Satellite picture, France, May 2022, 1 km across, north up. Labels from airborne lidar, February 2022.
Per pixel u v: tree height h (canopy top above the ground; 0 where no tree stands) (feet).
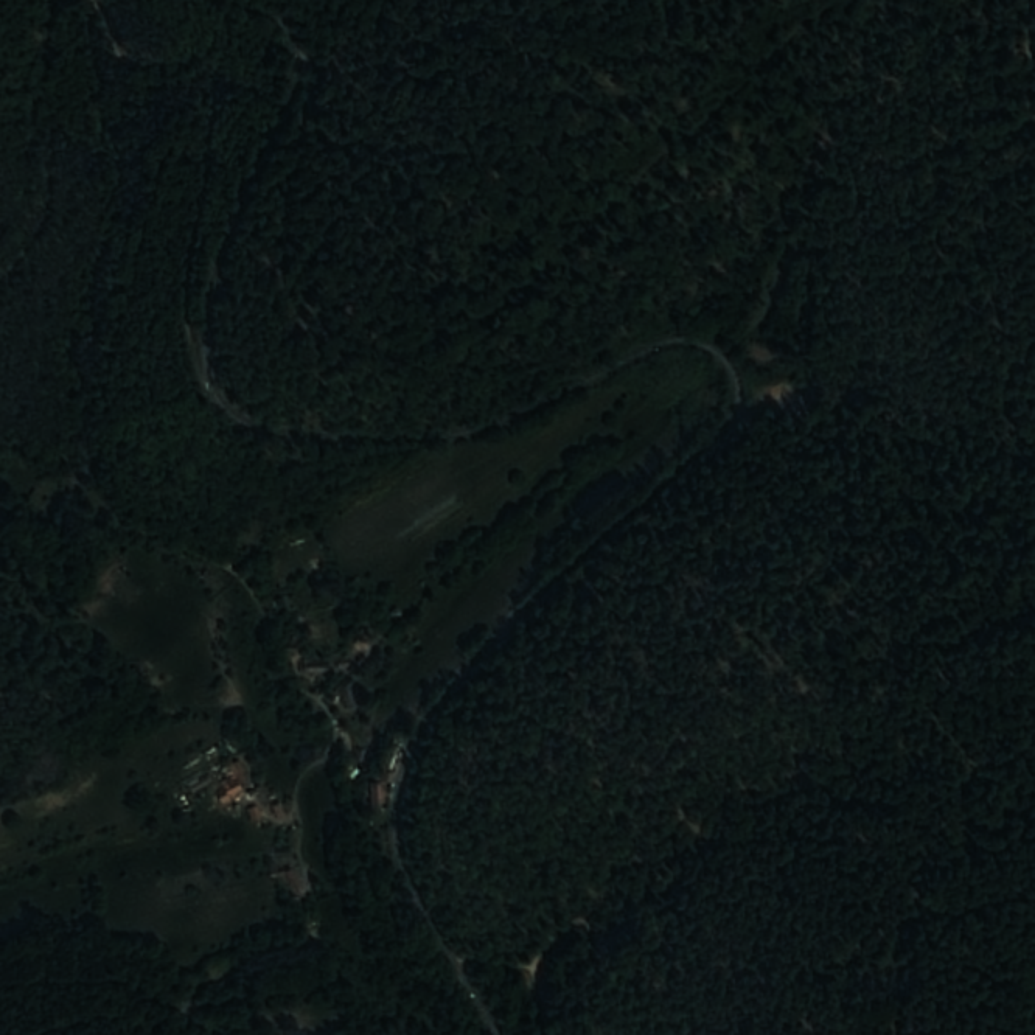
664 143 123
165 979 66
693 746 100
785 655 92
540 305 124
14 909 0
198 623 0
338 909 0
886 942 103
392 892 90
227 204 92
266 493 82
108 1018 52
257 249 91
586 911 36
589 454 63
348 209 106
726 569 93
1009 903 122
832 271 104
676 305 60
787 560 100
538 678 109
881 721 99
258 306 85
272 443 97
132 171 102
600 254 130
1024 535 104
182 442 74
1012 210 97
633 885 106
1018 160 98
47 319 75
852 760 126
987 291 97
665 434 0
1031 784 115
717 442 48
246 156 90
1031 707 98
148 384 88
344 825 78
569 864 106
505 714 90
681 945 109
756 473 103
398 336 112
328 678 47
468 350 118
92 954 59
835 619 82
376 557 0
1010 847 121
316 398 84
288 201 112
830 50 102
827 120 92
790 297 86
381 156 114
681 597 110
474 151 97
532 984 0
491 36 102
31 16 108
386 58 115
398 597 0
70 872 0
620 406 39
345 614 52
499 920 94
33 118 91
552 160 109
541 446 0
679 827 108
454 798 96
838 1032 81
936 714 86
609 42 100
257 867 19
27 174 83
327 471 91
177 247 89
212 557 38
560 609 107
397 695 0
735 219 127
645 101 114
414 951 101
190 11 72
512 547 36
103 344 82
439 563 39
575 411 0
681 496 106
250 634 0
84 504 84
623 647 94
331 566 21
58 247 80
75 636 100
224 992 44
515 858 97
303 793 0
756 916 115
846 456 108
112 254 106
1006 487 130
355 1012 63
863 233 100
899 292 83
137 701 62
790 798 123
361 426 87
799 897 118
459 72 107
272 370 77
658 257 115
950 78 113
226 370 81
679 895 91
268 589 22
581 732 88
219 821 0
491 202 93
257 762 39
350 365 105
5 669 110
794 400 0
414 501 0
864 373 99
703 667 94
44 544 108
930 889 120
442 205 91
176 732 0
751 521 105
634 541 102
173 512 85
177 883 0
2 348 78
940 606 108
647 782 96
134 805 70
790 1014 80
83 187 94
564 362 112
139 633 0
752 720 86
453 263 109
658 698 73
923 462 119
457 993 84
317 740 0
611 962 115
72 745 59
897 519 129
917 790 120
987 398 91
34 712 101
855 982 64
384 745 50
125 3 84
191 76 113
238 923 0
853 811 127
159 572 0
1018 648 112
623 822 107
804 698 94
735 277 94
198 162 89
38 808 0
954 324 96
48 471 67
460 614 0
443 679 55
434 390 112
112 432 95
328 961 86
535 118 94
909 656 95
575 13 66
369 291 96
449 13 107
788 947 109
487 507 0
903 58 119
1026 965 100
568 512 0
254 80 107
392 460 32
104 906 32
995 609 39
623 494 76
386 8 106
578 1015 101
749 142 21
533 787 92
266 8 72
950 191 90
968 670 107
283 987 96
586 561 46
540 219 115
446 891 88
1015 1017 99
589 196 113
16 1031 39
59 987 42
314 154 113
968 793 102
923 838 116
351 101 114
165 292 91
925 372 88
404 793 43
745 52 107
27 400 72
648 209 113
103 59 91
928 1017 102
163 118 109
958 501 130
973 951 110
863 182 93
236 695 26
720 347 40
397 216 101
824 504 109
